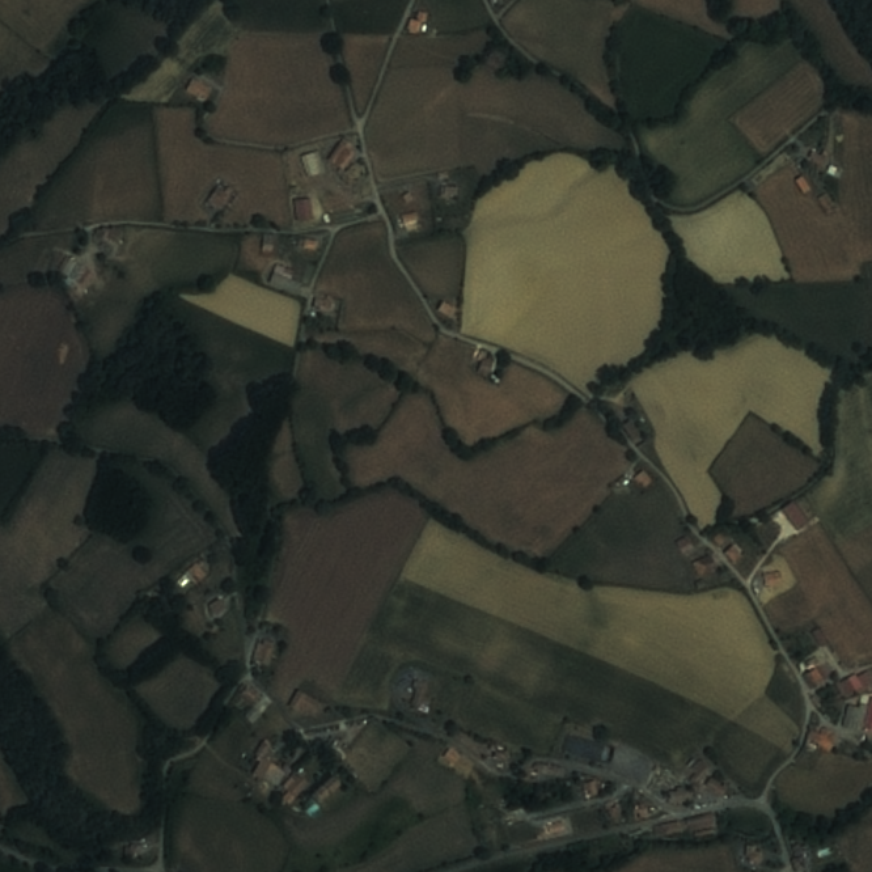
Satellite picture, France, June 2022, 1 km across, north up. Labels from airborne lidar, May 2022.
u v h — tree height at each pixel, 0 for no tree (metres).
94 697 0
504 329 0
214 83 0
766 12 0
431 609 0
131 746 0
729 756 0
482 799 0
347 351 21
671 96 0
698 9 0
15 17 0
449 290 0
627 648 0
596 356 0
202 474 0
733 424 0
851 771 0
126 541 12
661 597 0
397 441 0
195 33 0
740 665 0
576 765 0
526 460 0
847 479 0
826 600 0
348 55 0
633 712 0
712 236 0
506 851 12
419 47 0
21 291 0
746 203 0
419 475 0
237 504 15
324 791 0
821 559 0
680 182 0
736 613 0
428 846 0
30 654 0
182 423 29
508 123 0
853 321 0
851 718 0
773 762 0
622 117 14
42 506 0
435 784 0
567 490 0
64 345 0
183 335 22
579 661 0
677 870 0
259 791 0
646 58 0
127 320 0
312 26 0
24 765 27
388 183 0
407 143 0
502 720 0
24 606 0
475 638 0
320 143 0
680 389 0
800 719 0
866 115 24
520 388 0
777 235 0
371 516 0
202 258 0
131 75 12
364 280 0
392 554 0
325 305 0
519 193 0
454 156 0
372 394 0
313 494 21
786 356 0
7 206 0
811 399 0
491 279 0
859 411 0
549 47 0
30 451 6
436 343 0
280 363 0
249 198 0
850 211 0
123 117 0
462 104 0
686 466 0
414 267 0
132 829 10
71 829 8
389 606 0
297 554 0
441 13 0
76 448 11
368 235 0
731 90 0
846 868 9
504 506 0
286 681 0
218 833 0
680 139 0
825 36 0
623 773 0
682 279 10
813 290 0
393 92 0
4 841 8
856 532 0
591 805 0
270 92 0
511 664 0
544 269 0
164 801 17
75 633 0
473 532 11
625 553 0
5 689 13
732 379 0
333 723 0
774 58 0
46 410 0
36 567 0
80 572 0
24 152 0
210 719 12
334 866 0
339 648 0
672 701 0
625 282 0
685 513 0
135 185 0
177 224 7
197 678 0
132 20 0
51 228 0
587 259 0
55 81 15
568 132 0
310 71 0
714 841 6
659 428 0
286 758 6
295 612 0
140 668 14
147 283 0
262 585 7
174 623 17
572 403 15
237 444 27
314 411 0
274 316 0
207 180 0
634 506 0
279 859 0
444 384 0
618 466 0
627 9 0
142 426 0
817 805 0
